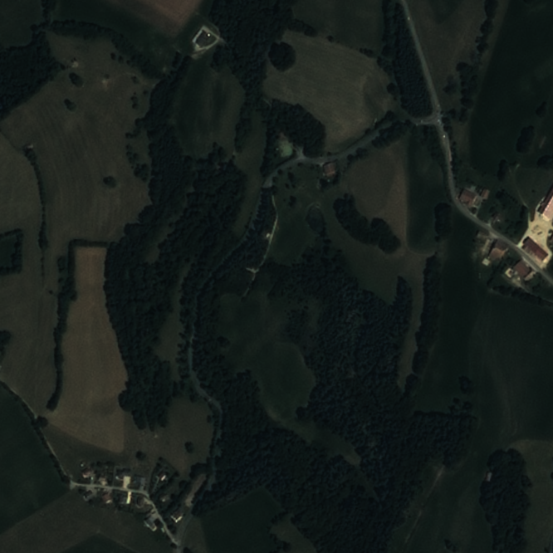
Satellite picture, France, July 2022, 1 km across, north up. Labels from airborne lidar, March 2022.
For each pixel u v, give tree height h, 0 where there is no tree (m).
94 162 0
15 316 0
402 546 0
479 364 0
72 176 0
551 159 14
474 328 0
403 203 0
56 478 0
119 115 0
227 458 18
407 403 27
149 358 26
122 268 17
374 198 0
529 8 0
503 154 0
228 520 0
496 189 0
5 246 0
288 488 31
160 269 19
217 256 19
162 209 12
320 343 7
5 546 0
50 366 0
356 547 18
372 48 0
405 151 0
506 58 0
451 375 0
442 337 0
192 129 0
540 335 0
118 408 0
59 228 0
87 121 0
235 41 26
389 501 29
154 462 0
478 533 0
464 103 19
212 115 0
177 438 0
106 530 0
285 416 0
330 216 0
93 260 0
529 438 0
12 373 0
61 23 9
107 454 0
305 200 0
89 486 0
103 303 0
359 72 0
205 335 31
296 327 7
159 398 17
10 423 0
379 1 0
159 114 12
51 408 14
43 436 13
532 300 19
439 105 0
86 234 0
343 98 0
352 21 0
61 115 0
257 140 0
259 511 0
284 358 0
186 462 0
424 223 0
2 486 0
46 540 0
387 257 0
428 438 25
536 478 0
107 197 0
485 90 0
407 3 0
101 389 0
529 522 0
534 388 0
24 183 0
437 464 0
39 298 0
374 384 22
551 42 0
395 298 0
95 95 0
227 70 0
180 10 0
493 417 0
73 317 0
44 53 17
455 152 11
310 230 0
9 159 0
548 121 0
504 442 0
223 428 14
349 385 15
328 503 34
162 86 14
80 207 0
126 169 0
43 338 0
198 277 25
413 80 23
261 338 0
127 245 15
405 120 0
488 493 28
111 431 0
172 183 17
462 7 0
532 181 0
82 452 0
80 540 0
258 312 0
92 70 0
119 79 0
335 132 0
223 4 18
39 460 0
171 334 0
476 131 0
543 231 0
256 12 32
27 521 0
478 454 0
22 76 11
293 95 0
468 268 0
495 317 0
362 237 28
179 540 0
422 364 25
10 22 0
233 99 0
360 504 29
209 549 0
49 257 0
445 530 0
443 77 0
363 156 18
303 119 24
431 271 22
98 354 0
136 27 0
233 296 0
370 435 8
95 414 0
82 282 0
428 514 0
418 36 0
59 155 0
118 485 0
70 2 0
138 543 0
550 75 0
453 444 28
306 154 14
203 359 11
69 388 0
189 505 0
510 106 0
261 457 33
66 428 0
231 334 0
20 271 11
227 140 0
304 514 31
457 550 19
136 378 7
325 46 0
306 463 33
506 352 0
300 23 17
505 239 0
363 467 14
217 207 27
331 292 12
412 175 0
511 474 33
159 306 18
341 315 16
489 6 17
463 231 0
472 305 0
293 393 0
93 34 15
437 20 0
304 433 0
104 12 0
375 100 0
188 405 0
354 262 0
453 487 0
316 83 0
